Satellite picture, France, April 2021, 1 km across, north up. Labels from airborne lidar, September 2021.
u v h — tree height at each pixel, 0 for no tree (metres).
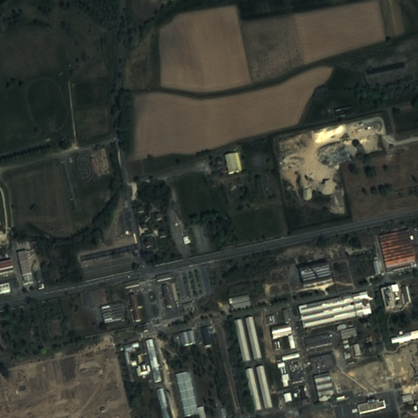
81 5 15
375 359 0
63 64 0
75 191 0
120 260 0
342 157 0
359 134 0
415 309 17
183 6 0
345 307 0
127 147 18
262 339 0
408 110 0
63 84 0
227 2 0
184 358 11
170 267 0
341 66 0
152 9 0
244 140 0
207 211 0
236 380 13
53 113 0
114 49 0
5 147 0
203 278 0
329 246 7
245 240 0
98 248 0
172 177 0
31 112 0
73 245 15
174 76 0
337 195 0
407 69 0
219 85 0
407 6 0
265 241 10
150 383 0
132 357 7
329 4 0
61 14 0
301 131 0
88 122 0
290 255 0
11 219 0
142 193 6
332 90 8
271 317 0
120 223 0
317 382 0
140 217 6
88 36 0
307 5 0
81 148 0
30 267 0
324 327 0
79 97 0
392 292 0
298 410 0
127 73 0
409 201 0
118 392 0
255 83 0
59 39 0
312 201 6
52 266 16
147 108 0
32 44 0
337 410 0
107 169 0
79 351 0
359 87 11
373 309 0
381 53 0
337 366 0
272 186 0
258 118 0
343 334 0
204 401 0
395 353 0
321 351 0
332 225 0
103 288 17
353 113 9
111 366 0
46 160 0
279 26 0
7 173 0
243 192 17
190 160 0
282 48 0
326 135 0
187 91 0
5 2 11
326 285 0
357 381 0
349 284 0
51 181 0
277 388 0
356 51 0
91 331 0
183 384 0
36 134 0
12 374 0
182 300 0
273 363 0
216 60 0
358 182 0
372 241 0
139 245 0
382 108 17
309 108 0
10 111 0
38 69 0
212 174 7
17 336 9
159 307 0
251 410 16
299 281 0
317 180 0
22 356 11
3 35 17
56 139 0
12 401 0
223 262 0
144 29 11
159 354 0
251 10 0
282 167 0
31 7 0
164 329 0
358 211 0
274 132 0
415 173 0
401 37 0
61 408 0
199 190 0
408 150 0
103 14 13
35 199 0
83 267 0
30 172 0
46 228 0
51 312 11
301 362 0
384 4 0
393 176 0
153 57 0
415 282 0
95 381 0
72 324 0
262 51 0
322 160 0
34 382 0
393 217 0
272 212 0
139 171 0
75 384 0
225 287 0
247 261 13
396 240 0
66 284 9
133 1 0
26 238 8
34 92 0
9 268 0
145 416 8
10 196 0
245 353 0
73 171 0
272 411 0
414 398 0
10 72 0
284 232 0
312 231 0
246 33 0
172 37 0
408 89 9
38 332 19
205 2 0
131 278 0
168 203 8
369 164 22
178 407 0
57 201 0
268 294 0
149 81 0
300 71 0
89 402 0
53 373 0
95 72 0
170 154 0
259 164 0
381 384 0
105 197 0
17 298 0
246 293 10
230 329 14
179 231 0
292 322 0
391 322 0
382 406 0
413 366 0
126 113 20
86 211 0
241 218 0
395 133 0
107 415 0
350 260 12
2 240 0
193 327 0
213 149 0
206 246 0
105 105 0
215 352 12
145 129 0
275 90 0
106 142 0
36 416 0
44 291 0
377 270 0
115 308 0
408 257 0
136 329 10
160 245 0
